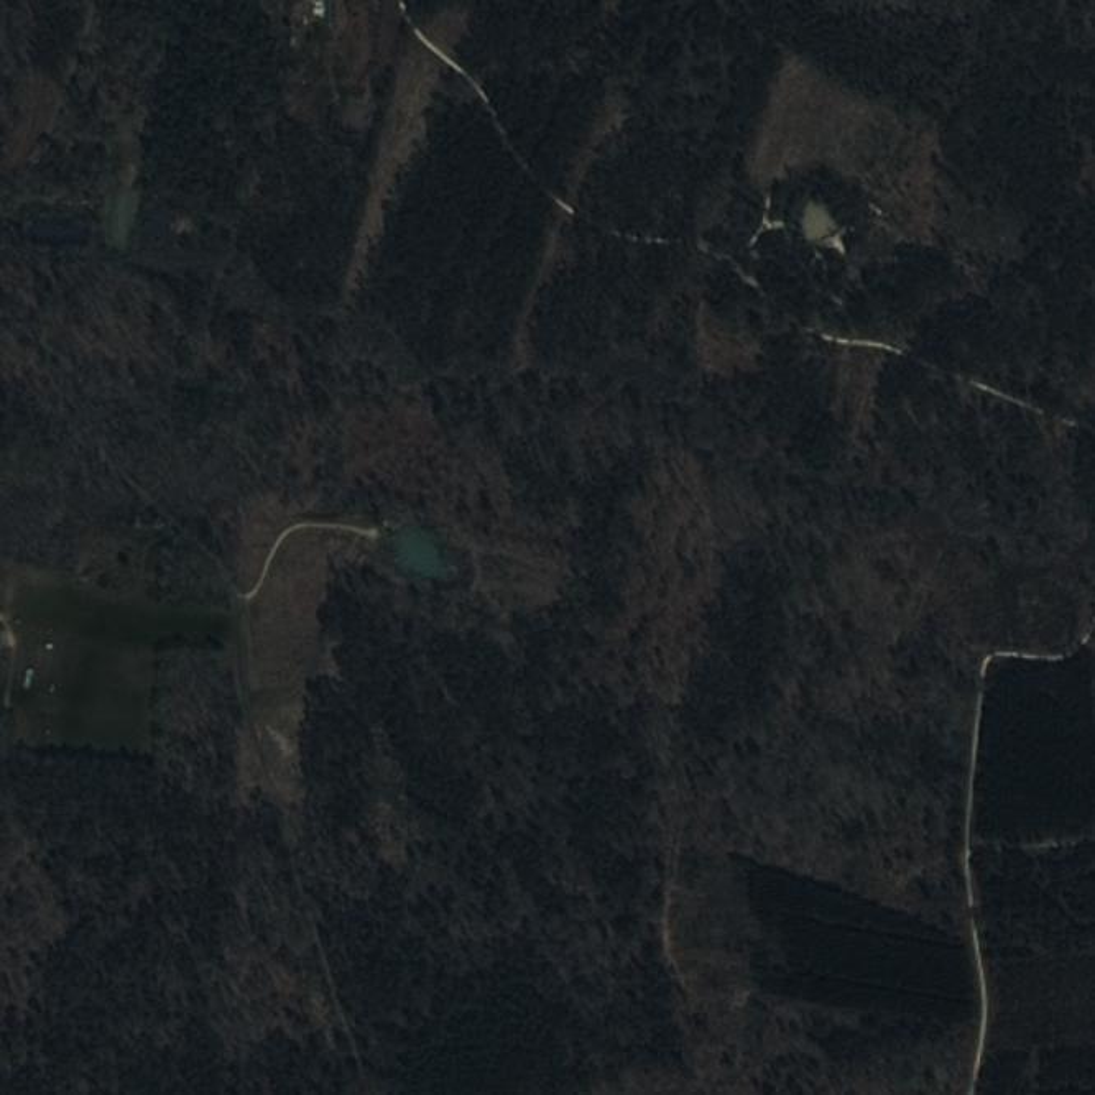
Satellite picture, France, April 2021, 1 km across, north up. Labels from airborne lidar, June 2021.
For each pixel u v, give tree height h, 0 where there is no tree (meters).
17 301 15
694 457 18
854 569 16
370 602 11
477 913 12
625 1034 19
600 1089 13
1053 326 19
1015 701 12
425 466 8
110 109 11
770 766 8
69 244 10
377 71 11
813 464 19
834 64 17
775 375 20
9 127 9
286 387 15
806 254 12
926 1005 11
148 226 7
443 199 19
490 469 16
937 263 18
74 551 13
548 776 16
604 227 14
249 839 18
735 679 19
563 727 17
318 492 15
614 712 14
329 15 7
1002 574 0
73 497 10
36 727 0
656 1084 10
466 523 15
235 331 19
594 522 19
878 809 13
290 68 6
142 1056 15
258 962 11
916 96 18
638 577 16
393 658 12
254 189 17
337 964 21
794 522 13
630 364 8
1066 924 17
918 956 10
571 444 19
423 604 16
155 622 0
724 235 12
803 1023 8
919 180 8
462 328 18
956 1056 8
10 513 14
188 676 15
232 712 21
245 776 13
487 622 18
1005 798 13
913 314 19
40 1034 17
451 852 18
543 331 17
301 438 10
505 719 19
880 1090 10
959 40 16
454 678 19
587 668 10
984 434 14
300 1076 16
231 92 19
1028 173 17
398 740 19
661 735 16
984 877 14
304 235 19
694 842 7
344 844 6
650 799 18
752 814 13
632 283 19
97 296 19
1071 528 11
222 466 16
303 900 14
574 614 18
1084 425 18
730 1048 0
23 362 11
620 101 9
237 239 19
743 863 11
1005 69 18
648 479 14
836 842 13
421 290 11
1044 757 11
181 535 18
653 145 16
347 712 13
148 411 18
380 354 11
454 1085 21
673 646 17
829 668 13
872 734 10
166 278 6
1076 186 18
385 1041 12
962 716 12
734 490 15
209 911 17
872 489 9
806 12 18
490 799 14
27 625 0
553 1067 20
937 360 18
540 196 19
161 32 14
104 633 0
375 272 14
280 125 10
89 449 14
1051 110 20
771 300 16
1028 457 20
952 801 9
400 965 16
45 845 18
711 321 8
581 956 14
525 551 11
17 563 14
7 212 18
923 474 7
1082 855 12
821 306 18
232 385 18
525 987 15
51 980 21
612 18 9
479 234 20
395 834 10
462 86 15
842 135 0
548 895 15
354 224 17
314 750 18
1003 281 15
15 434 24
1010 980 6
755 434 12
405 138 0
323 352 17
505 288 18
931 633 14
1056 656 0
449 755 19
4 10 10
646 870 19
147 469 20
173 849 14
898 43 18
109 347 16
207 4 16
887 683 10
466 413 15
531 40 15
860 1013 6
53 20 14
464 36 0
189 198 21
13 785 23
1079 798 12
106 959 12
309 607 0
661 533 12
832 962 10
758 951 7
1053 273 13
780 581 22
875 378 13
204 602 12
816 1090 9
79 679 0
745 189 9
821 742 14
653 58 10
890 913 10
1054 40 20
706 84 13
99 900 12
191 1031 13
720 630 19
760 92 19
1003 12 17
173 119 24
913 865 10
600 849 15
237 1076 20
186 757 13
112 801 18
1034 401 13
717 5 9
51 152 23
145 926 17
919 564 0
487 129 19
